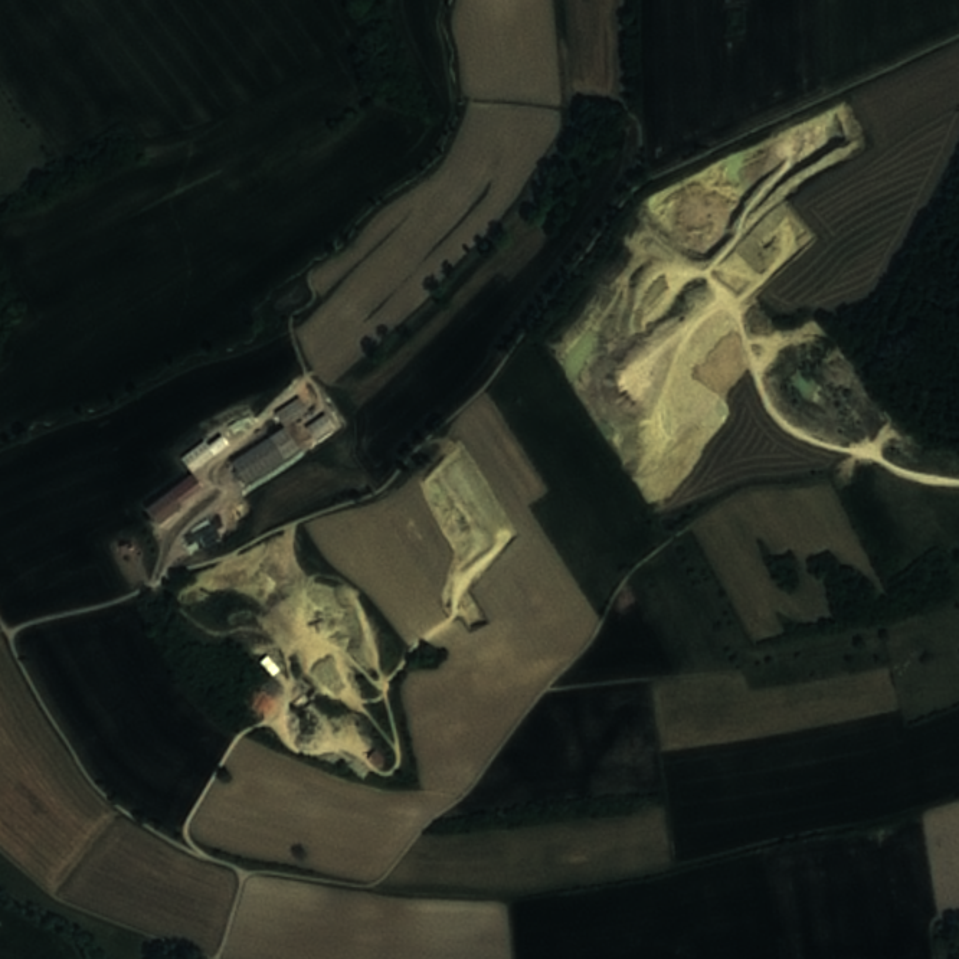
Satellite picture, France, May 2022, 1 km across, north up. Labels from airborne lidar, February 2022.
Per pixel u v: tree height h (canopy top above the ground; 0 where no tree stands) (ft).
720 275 0
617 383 0
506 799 0
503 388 0
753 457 0
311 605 0
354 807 0
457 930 0
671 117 0
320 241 0
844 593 42
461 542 0
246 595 0
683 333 0
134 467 0
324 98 0
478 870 0
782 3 0
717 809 0
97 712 0
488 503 0
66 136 0
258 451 0
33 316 0
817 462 0
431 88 0
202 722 0
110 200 0
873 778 0
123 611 0
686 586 0
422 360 0
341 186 0
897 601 30
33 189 37
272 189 0
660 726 0
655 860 0
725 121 0
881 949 0
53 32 0
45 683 0
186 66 0
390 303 0
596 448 0
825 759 0
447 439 0
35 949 0
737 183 0
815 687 0
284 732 0
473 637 0
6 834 0
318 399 0
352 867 0
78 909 0
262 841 0
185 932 0
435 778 0
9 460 0
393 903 0
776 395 0
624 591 0
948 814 0
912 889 0
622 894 0
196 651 22
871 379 60
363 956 0
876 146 0
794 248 0
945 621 0
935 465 0
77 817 0
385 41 58
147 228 0
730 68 0
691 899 0
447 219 0
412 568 0
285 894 0
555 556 0
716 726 0
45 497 0
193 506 0
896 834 0
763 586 0
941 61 0
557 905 0
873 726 0
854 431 0
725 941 0
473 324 0
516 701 0
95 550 0
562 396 0
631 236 0
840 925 0
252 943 0
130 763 0
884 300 68
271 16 0
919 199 0
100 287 0
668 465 0
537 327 47
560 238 0
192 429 0
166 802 0
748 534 0
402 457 39
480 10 0
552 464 0
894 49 0
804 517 0
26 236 0
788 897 0
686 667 0
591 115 62
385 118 0
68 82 0
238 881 0
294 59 0
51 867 0
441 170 0
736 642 0
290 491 0
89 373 0
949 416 38
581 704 0
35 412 0
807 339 0
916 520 0
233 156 0
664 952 0
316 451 0
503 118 0
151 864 0
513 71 0
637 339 0
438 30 0
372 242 0
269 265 0
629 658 0
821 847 0
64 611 0
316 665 0
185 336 0
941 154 0
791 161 0
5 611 0
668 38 0
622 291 0
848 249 0
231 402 0
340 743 0
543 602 0
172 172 0
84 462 0
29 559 0
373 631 0
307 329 0
